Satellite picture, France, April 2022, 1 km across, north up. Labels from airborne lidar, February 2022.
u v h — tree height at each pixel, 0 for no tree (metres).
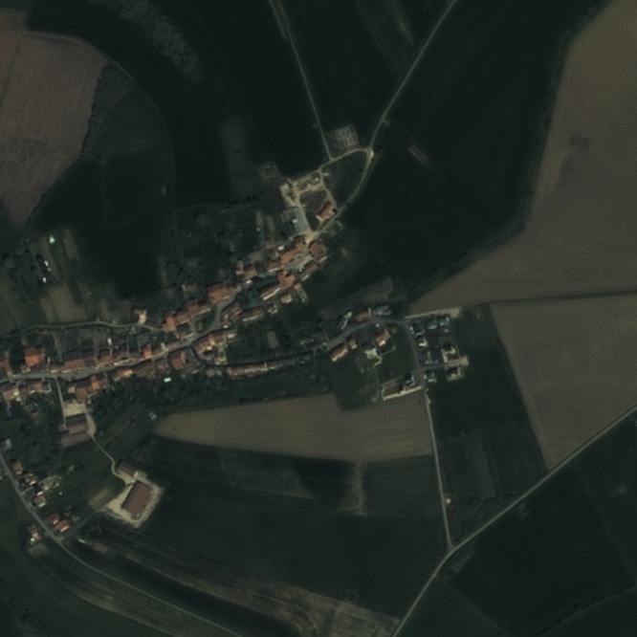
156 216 0
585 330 0
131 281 0
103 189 0
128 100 0
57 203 0
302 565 0
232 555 0
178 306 0
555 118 0
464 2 0
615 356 0
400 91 0
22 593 0
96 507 0
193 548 0
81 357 0
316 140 0
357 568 0
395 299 16
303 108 0
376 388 0
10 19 0
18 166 0
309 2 0
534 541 0
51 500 0
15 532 0
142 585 0
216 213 0
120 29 0
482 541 0
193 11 0
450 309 0
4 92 0
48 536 0
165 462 0
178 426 0
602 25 0
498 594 0
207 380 7
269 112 0
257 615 0
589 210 0
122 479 0
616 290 0
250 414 0
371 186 0
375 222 0
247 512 0
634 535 0
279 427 0
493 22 0
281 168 0
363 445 0
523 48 0
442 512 0
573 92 0
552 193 0
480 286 0
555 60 0
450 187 0
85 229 0
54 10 0
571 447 0
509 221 0
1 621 0
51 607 0
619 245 0
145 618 0
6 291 0
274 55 0
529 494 0
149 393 0
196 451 0
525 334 0
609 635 0
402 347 0
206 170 0
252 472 0
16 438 0
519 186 0
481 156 0
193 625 0
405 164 0
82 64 0
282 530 0
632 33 0
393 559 0
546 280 0
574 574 0
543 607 0
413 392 0
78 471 0
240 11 0
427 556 0
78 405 0
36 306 0
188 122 0
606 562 0
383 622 0
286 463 0
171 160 0
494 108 0
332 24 0
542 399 0
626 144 0
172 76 0
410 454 0
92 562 0
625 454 0
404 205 0
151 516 0
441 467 6
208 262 0
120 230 0
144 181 0
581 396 0
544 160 0
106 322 0
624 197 0
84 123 0
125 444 0
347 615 0
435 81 0
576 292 0
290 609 0
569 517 0
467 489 0
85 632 0
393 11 0
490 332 0
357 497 0
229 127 0
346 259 0
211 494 0
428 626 0
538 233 0
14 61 0
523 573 0
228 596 0
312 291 0
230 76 0
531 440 0
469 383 0
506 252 0
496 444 0
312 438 0
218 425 0
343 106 0
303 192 0
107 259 0
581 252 0
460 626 0
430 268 0
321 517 0
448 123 0
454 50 0
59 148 0
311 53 0
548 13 0
